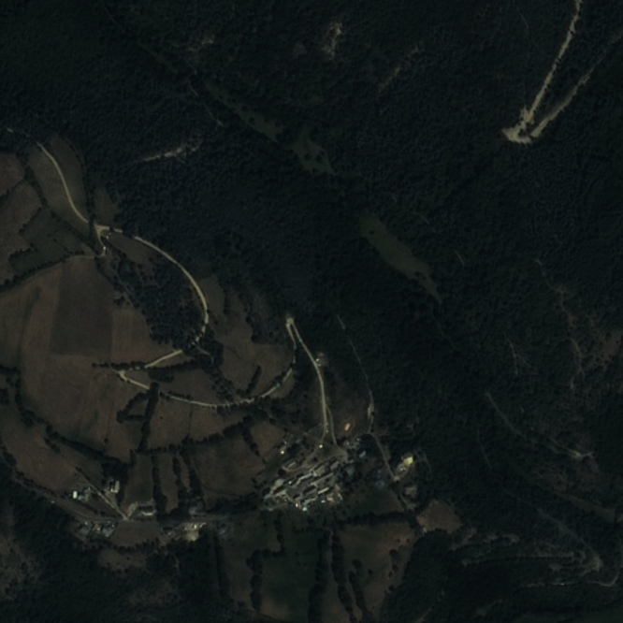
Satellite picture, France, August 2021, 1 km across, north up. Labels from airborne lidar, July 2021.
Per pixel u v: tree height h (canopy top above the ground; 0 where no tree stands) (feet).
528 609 36
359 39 32
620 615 0
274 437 0
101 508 0
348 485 35
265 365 0
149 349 0
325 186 73
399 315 72
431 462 35
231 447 0
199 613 32
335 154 47
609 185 54
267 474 0
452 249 32
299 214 46
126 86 42
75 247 0
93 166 28
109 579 31
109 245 23
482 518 36
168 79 48
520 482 41
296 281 0
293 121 69
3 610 56
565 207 26
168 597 24
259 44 33
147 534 0
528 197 44
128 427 0
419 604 46
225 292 22
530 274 35
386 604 26
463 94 54
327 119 41
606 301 37
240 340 0
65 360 0
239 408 29
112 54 45
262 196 22
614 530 25
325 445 0
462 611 33
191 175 62
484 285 31
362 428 0
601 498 25
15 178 0
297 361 34
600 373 41
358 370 25
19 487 45
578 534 31
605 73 53
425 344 87
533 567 28
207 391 0
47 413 0
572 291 22
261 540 0
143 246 0
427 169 34
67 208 0
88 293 0
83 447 43
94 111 48
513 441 39
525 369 18
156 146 24
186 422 0
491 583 59
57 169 0
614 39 61
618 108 73
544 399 35
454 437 30
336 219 75
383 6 48
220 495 0
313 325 31
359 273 110
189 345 22
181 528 0
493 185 25
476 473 31
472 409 60
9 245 0
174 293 41
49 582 27
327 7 45
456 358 67
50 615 69
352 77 35
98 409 0
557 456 27
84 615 34
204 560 52
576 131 72
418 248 45
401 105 52
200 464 0
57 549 38
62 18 61
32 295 0
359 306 38
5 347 0
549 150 55
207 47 20
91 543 28
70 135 38
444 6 55
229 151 46
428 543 42
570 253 44
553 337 25
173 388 0
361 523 55
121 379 22
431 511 0
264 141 85
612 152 42
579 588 28
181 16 32
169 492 0
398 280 66
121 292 19
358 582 40
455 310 52
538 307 33
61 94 44
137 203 49
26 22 39
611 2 47
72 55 39
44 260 0
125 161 47
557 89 21
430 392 45
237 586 0
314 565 0
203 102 39
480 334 38
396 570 30
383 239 0
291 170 74
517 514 41
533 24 28
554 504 18
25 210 0
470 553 39
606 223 63
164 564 40
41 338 0
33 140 32
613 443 76
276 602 0
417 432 33
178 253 19
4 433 0
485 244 55
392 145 62
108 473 50
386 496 0
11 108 42
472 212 45
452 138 23
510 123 26
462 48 62
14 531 21
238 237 39
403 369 40
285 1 54
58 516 42
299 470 0
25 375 0
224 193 23
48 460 0
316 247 49
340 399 0
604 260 62
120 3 53
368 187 33
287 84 34
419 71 32
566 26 35
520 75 36
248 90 36
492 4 34
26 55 44
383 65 40
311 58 39
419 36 54
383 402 22
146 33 34
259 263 36
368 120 52
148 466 0
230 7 51
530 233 41
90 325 0
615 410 76
